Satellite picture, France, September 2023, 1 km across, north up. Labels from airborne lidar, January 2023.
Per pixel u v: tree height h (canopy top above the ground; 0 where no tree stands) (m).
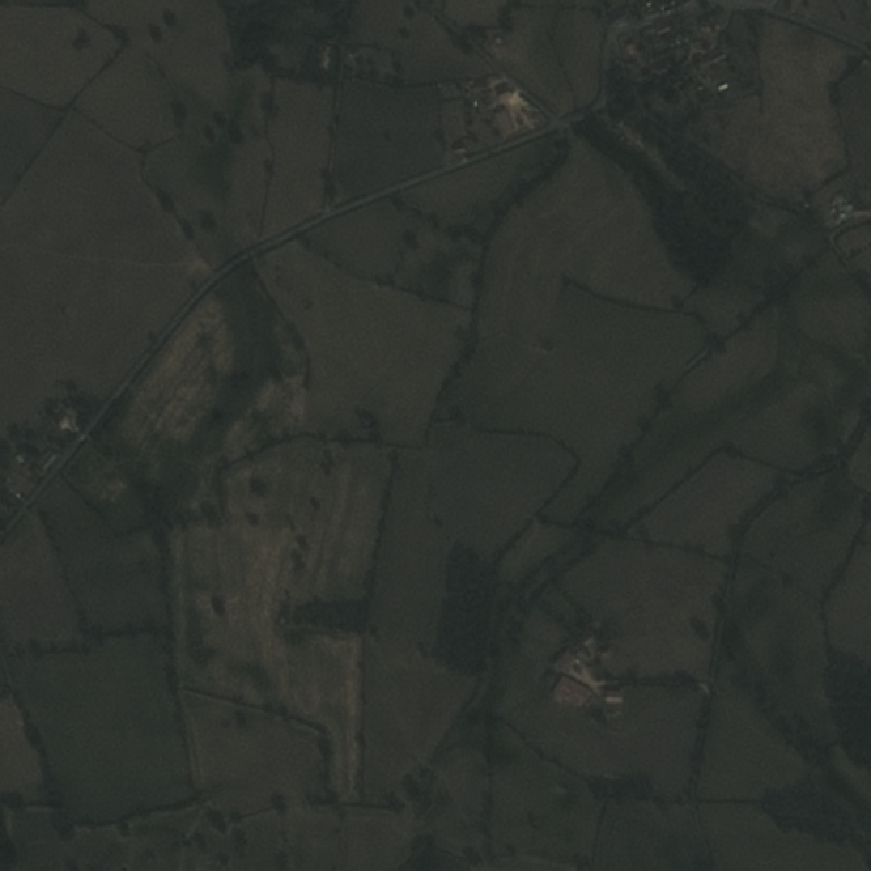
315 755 0
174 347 0
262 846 0
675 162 17
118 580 0
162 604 0
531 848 0
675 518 0
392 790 0
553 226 0
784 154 0
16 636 0
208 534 0
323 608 13
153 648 0
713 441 0
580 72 0
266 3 9
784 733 15
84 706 0
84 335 0
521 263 0
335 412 0
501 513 0
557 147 6
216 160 0
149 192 0
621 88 12
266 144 0
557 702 0
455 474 0
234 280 0
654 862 0
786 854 0
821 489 0
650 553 0
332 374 0
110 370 0
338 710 0
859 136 0
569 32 0
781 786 0
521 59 0
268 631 0
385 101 0
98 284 0
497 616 0
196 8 0
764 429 0
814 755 20
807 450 0
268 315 0
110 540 0
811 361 0
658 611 0
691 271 15
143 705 0
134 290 0
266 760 0
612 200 0
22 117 0
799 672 0
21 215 0
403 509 0
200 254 0
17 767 0
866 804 0
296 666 0
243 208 0
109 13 0
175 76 0
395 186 0
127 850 0
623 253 0
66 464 0
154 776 0
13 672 0
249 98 0
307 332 0
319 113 0
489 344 0
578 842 0
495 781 12
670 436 0
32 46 0
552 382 0
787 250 0
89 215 0
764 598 0
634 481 0
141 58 0
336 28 10
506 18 14
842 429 0
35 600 0
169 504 0
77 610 0
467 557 11
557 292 0
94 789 0
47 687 0
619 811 0
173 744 0
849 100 0
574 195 0
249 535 0
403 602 0
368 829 0
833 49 0
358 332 0
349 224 0
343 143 0
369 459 0
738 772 0
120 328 0
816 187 0
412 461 0
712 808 0
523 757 0
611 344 0
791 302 0
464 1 0
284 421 0
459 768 0
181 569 0
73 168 0
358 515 0
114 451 8
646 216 0
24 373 0
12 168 0
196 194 0
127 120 0
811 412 0
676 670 0
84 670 0
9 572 0
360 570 0
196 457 0
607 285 0
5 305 0
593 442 0
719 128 0
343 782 0
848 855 0
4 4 9
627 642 0
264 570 0
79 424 11
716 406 0
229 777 0
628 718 0
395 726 0
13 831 0
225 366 0
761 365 0
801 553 0
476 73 0
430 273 0
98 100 0
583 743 0
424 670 0
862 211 0
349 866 0
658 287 0
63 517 0
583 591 0
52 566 0
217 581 0
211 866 0
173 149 0
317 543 0
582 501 0
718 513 0
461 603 14
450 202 0
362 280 0
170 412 0
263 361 0
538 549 0
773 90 0
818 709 0
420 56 0
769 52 0
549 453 0
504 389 0
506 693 0
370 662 0
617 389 0
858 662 14
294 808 0
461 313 0
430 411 0
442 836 0
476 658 11
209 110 0
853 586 0
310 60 0
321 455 0
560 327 0
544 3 0
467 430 0
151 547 0
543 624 0
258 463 0
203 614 0
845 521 0
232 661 0
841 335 0
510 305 0
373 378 0
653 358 0
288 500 0
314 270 0
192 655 0
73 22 0
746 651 0
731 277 0
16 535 0
